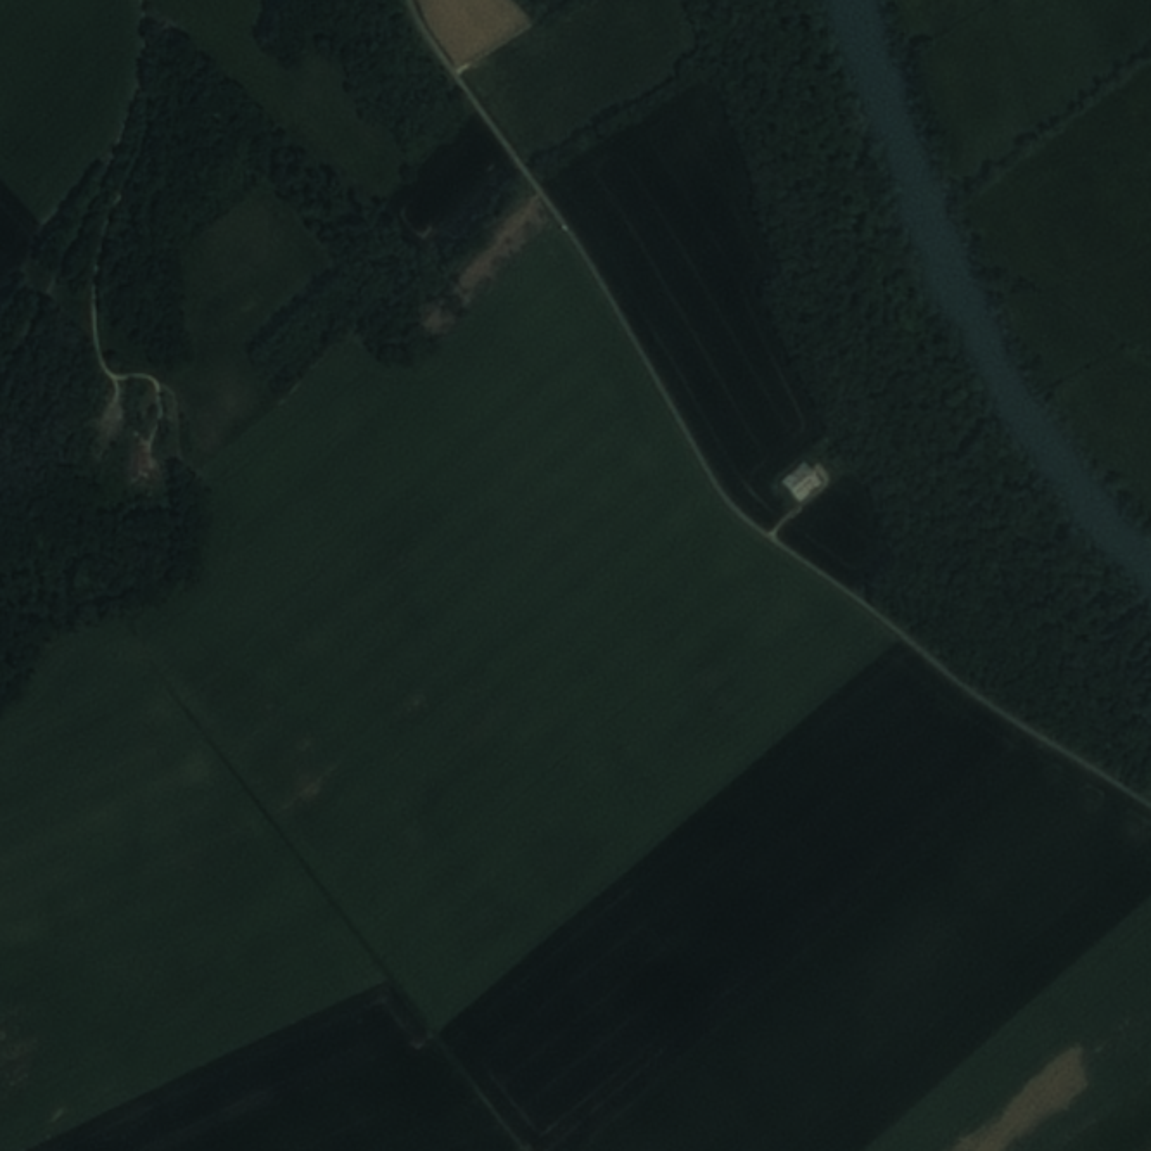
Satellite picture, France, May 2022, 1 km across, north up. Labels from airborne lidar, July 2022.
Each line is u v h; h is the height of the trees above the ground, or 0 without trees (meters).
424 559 0
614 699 0
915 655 0
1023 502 30
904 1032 0
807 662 0
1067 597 23
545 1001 0
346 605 0
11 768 0
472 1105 0
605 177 0
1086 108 11
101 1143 0
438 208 0
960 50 0
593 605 0
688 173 0
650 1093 0
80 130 0
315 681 0
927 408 22
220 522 0
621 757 0
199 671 0
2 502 17
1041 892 0
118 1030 0
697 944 0
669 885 0
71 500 19
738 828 0
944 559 21
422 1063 0
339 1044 0
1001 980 0
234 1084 0
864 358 21
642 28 0
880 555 0
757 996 0
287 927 0
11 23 0
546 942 0
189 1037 0
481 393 0
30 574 18
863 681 0
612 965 0
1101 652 26
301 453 0
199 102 26
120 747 0
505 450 0
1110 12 0
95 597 12
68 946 0
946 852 0
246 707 0
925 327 11
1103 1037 0
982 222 0
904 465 24
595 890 0
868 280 26
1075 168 0
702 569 0
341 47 12
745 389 0
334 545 0
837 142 24
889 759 0
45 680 0
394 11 15
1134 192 0
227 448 0
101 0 0
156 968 0
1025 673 22
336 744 0
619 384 0
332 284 20
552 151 9
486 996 0
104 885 0
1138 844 0
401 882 0
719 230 0
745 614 0
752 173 15
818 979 0
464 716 0
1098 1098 0
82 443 10
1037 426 0
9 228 0
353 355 0
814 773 0
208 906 0
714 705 0
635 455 0
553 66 0
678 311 0
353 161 0
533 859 0
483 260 0
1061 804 0
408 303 22
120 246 11
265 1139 0
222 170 19
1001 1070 0
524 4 13
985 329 0
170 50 22
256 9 0
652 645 0
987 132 0
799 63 22
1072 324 0
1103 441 0
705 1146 0
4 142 0
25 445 15
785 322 15
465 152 0
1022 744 0
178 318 18
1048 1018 0
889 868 0
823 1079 0
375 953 0
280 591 0
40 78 0
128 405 5
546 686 0
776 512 0
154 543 20
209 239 0
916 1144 0
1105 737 16
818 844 0
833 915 0
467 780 0
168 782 0
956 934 0
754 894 0
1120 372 0
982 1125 0
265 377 15
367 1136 0
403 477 0
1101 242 0
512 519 0
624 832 0
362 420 0
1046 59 0
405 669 0
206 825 0
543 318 0
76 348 11
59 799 0
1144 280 0
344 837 0
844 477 0
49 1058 0
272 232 0
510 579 0
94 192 13
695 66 9
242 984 0
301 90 0
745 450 0
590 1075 0
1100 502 0
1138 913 0
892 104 0
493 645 0
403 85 18
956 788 0
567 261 0
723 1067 0
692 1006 0
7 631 29
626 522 0
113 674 0
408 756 0
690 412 0
